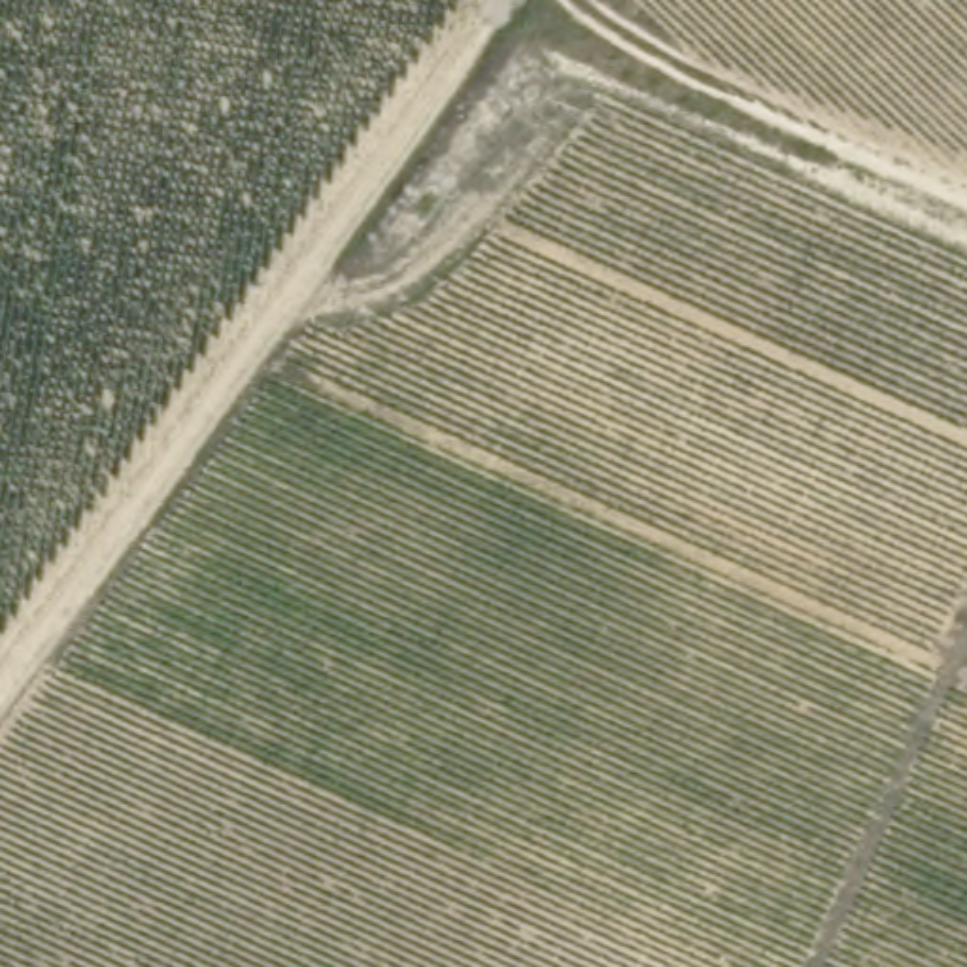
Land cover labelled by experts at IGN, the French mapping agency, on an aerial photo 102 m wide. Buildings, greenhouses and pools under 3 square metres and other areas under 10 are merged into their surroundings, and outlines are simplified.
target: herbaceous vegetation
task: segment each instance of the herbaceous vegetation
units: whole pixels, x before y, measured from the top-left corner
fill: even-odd
[[[510,212],[517,204],[533,200],[536,185],[551,181],[551,170],[563,162],[563,155],[570,155],[574,144],[585,136],[582,128],[574,128],[574,121],[608,121],[608,106],[619,79],[653,91],[657,98],[676,102],[691,113],[725,121],[740,132],[752,132],[763,144],[793,151],[820,166],[831,162],[835,151],[672,83],[669,76],[631,60],[604,38],[597,38],[593,30],[578,26],[555,0],[521,0],[510,11],[510,19],[487,38],[472,72],[461,79],[461,87],[434,117],[419,147],[404,159],[397,178],[385,185],[378,204],[363,215],[363,223],[332,261],[332,272],[344,280],[374,272],[393,280],[393,264],[412,249],[427,246],[442,215],[450,215],[468,193],[495,196],[499,208],[484,223],[495,238],[510,223]]]

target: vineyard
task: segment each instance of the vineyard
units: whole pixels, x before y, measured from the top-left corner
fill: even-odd
[[[408,76],[408,68],[419,60],[419,49],[434,38],[446,15],[457,11],[457,0],[0,0],[0,631],[30,597],[34,582],[68,544],[68,536],[79,529],[83,514],[91,514],[94,502],[106,495],[110,480],[132,457],[132,446],[144,438],[144,431],[181,389],[181,378],[208,351],[208,340],[219,336],[223,321],[234,317],[246,291],[268,268],[272,253],[295,230],[295,223],[306,215],[321,185],[336,174],[348,147],[382,110],[382,102],[393,94],[397,79]]]
[[[948,155],[967,155],[967,0],[608,0],[616,11],[642,23],[650,34],[672,45],[687,45],[699,57],[710,57],[744,76],[755,76],[759,83],[801,94],[816,106],[831,106],[839,113],[876,121]]]
[[[725,121],[691,113],[676,102],[657,98],[653,91],[619,79],[608,106],[608,121],[574,121],[574,128],[582,128],[585,136],[574,144],[570,155],[563,155],[563,162],[551,170],[551,181],[536,185],[533,200],[517,204],[510,212],[510,223],[495,238],[484,223],[465,238],[465,246],[457,246],[404,295],[374,302],[370,314],[340,310],[295,321],[276,340],[276,348],[261,359],[253,382],[234,397],[234,404],[204,438],[181,480],[170,487],[151,521],[132,536],[117,567],[106,574],[106,582],[72,619],[64,638],[53,646],[45,691],[38,695],[34,710],[15,721],[8,744],[0,748],[0,967],[967,967],[967,249],[733,144],[740,132]]]

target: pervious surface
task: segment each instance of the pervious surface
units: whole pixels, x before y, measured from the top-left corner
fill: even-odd
[[[79,529],[68,536],[68,544],[34,582],[30,597],[0,631],[0,748],[8,744],[15,721],[34,710],[38,695],[45,691],[53,646],[64,638],[72,619],[106,582],[106,574],[117,567],[132,536],[151,521],[170,487],[181,480],[204,438],[234,404],[234,397],[253,382],[261,359],[276,348],[276,340],[295,321],[340,310],[370,314],[374,302],[404,295],[457,246],[465,246],[465,238],[484,223],[499,208],[495,196],[468,193],[450,215],[442,215],[427,246],[412,249],[393,264],[393,280],[374,272],[344,280],[332,272],[332,261],[363,223],[363,215],[378,204],[385,185],[397,178],[404,159],[419,147],[434,117],[461,87],[461,79],[472,72],[487,38],[510,19],[510,11],[521,0],[457,0],[457,11],[446,15],[434,38],[419,49],[419,60],[408,68],[408,76],[397,79],[393,94],[382,102],[382,110],[348,147],[336,174],[321,185],[306,215],[295,223],[295,230],[272,253],[268,268],[246,291],[234,317],[223,321],[219,336],[208,340],[208,351],[181,378],[181,389],[144,431],[144,438],[132,446],[132,457],[110,480],[106,495],[94,502],[91,514],[83,514]]]
[[[755,76],[744,76],[710,57],[699,57],[687,45],[672,45],[650,34],[642,23],[616,11],[608,0],[555,0],[578,26],[593,30],[597,38],[604,38],[631,60],[669,76],[672,83],[835,151],[831,162],[820,166],[793,151],[763,144],[752,132],[740,132],[733,144],[967,249],[967,155],[948,155],[876,121],[839,113],[831,106],[816,106],[801,94],[759,83]]]

